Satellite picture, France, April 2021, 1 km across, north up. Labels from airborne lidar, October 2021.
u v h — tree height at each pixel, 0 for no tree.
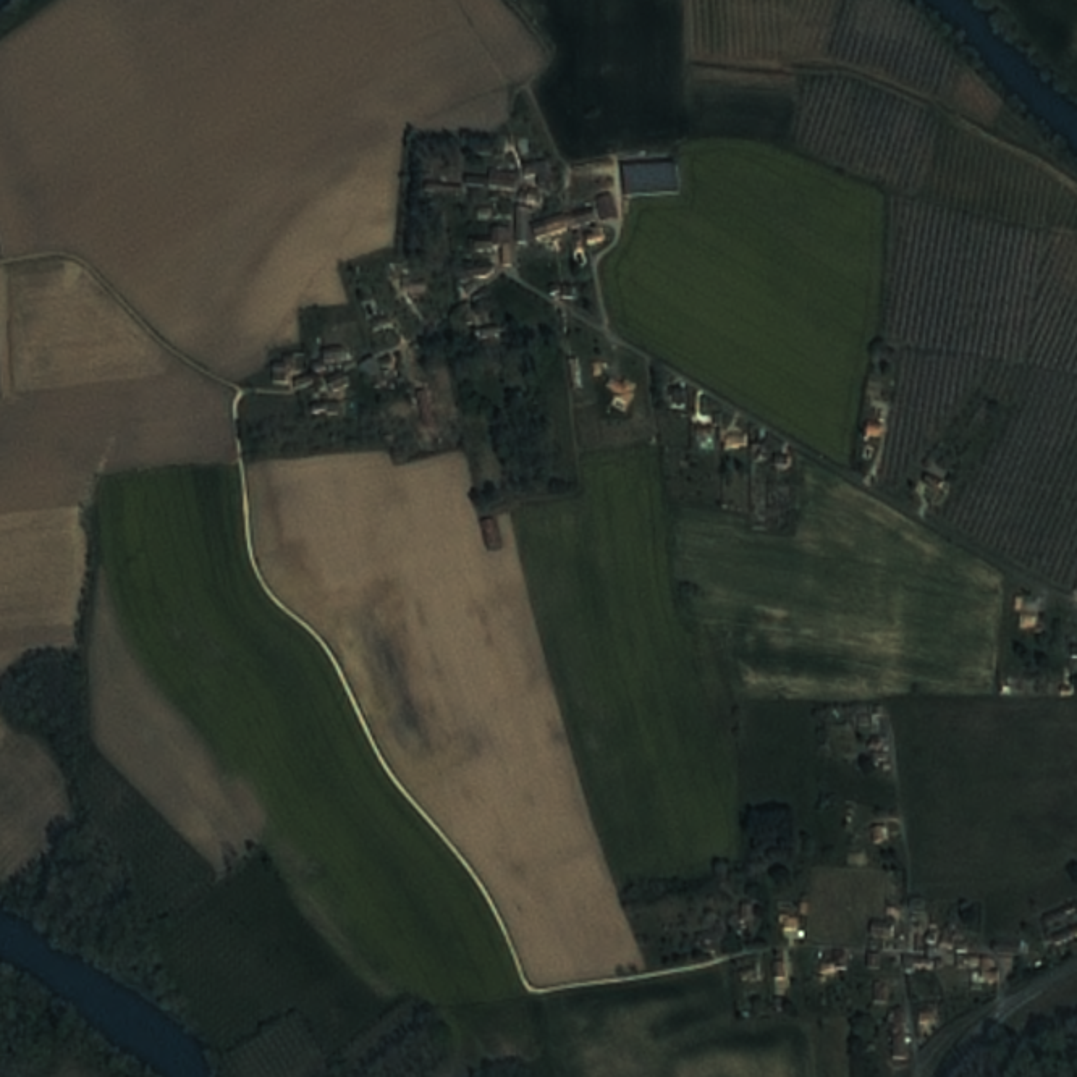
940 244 9
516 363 18
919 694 9
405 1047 22
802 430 0
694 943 7
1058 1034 23
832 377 0
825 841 0
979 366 10
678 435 0
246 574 0
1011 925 0
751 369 0
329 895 0
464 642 0
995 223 7
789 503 12
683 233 0
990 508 7
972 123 0
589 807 0
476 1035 0
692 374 0
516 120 9
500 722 0
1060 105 0
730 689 0
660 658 0
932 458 11
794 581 0
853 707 9
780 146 0
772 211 0
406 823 0
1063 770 0
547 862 0
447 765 0
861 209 0
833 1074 0
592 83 0
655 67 0
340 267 8
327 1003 9
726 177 0
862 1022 13
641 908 11
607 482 0
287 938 10
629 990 0
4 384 0
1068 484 7
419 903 0
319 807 0
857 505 0
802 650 0
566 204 0
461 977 0
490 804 0
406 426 9
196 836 0
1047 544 8
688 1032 0
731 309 0
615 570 0
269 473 0
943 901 0
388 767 0
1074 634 0
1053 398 10
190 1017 14
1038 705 0
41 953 0
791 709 0
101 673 0
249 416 0
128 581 0
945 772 0
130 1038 0
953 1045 0
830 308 0
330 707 0
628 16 0
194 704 0
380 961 0
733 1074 0
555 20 0
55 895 33
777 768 0
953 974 0
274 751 0
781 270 0
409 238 12
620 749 0
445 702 0
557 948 0
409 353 0
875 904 0
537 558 0
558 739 0
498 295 0
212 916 12
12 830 0
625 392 0
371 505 0
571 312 7
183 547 0
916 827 0
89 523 14
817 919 0
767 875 23
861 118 8
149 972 20
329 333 0
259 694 0
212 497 0
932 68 10
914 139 8
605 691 0
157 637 0
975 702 0
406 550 0
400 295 6
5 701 19
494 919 0
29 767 0
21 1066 31
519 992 0
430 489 0
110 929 36
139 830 19
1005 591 0
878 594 0
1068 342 7
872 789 0
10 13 11
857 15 12
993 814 0
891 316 7
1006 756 0
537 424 13
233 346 0
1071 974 0
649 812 0
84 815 9
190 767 0
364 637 0
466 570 0
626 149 0
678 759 0
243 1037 15
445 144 15
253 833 0
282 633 0
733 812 0
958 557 0
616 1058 0
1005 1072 12
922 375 11
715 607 0
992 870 0
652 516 0
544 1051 0
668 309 0
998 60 0
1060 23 0
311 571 0
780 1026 0
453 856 0
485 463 0
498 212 7
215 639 0
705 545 0
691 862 0
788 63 0
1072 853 0
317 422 6
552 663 0
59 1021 17
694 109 0
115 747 0
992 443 7
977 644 0
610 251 0
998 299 8
